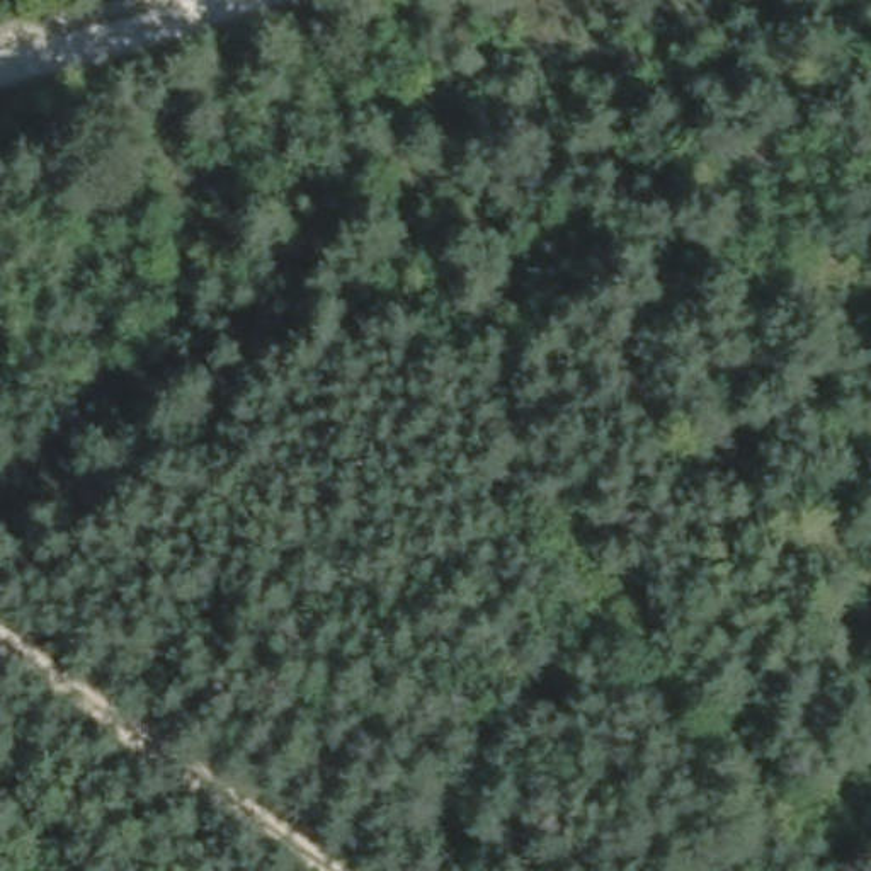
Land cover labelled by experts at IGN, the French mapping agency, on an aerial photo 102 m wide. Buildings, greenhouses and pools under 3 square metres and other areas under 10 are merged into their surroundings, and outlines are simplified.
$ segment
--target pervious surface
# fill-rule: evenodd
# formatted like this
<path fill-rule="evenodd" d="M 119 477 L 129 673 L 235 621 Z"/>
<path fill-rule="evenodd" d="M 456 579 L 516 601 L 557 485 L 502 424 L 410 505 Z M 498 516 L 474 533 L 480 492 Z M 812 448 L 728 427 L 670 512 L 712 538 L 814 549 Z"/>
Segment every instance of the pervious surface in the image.
<path fill-rule="evenodd" d="M 24 640 L 0 619 L 0 640 L 41 670 L 54 694 L 75 694 L 82 701 L 82 711 L 92 714 L 105 732 L 112 732 L 122 749 L 143 749 L 146 732 L 129 732 L 126 718 L 109 704 L 102 691 L 95 691 L 88 680 L 61 674 L 41 646 Z"/>
<path fill-rule="evenodd" d="M 157 68 L 167 68 L 174 54 L 180 54 L 187 44 L 201 44 L 201 34 L 218 27 L 221 20 L 248 14 L 255 0 L 95 0 L 95 10 L 65 24 L 58 17 L 44 17 L 41 24 L 10 17 L 0 24 L 0 85 L 58 68 L 88 109 L 99 92 L 119 88 L 119 71 L 133 58 L 153 58 Z"/>
<path fill-rule="evenodd" d="M 255 823 L 262 823 L 262 830 L 272 840 L 289 844 L 310 871 L 350 871 L 344 861 L 323 854 L 306 834 L 279 820 L 272 810 L 265 810 L 259 800 L 245 800 L 245 813 Z"/>

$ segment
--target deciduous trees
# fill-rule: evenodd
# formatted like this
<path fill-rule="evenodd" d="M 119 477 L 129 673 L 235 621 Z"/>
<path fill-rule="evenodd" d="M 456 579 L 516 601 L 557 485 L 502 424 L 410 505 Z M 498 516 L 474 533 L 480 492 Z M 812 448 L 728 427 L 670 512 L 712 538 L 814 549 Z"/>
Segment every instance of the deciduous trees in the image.
<path fill-rule="evenodd" d="M 589 616 L 599 609 L 599 599 L 623 585 L 623 575 L 585 555 L 585 548 L 568 531 L 565 510 L 558 510 L 551 527 L 541 538 L 534 538 L 538 558 L 527 565 L 527 578 L 510 595 L 510 602 L 497 616 L 487 616 L 476 626 L 470 626 L 453 663 L 422 670 L 418 687 L 432 697 L 425 701 L 425 711 L 415 718 L 422 732 L 432 732 L 432 725 L 442 718 L 483 721 L 497 708 L 510 708 L 521 697 L 524 684 L 541 674 L 541 667 L 555 653 L 555 619 L 561 602 L 575 602 L 572 612 L 585 626 Z"/>
<path fill-rule="evenodd" d="M 299 65 L 289 75 L 289 95 L 272 102 L 269 122 L 225 112 L 221 136 L 204 139 L 191 133 L 184 146 L 163 143 L 167 157 L 187 177 L 197 167 L 221 163 L 238 170 L 252 184 L 248 214 L 269 201 L 286 204 L 286 187 L 296 184 L 299 174 L 340 170 L 344 146 L 357 146 L 354 129 L 367 129 L 381 116 L 374 95 L 415 102 L 432 92 L 436 82 L 429 54 L 408 44 L 408 34 L 395 20 L 395 14 L 371 17 L 367 24 L 350 20 L 347 10 L 357 0 L 310 0 L 316 7 L 313 31 L 303 34 Z"/>
<path fill-rule="evenodd" d="M 663 871 L 813 871 L 817 854 L 827 851 L 827 810 L 840 800 L 840 783 L 854 772 L 847 759 L 834 759 L 834 766 L 820 769 L 817 776 L 789 783 L 789 793 L 779 806 L 762 806 L 755 789 L 735 786 L 725 796 L 718 817 L 732 817 L 735 827 L 684 834 L 670 844 Z"/>
<path fill-rule="evenodd" d="M 177 316 L 174 276 L 180 208 L 174 201 L 157 201 L 157 187 L 143 187 L 119 208 L 95 208 L 88 221 L 82 214 L 65 214 L 44 221 L 41 204 L 0 218 L 0 470 L 10 459 L 31 459 L 37 453 L 41 432 L 58 429 L 54 408 L 75 401 L 78 388 L 92 381 L 99 367 L 129 367 L 133 340 L 146 337 L 170 316 Z"/>
<path fill-rule="evenodd" d="M 711 126 L 684 129 L 677 119 L 677 105 L 663 92 L 650 102 L 650 109 L 636 119 L 629 133 L 609 136 L 606 146 L 619 150 L 633 163 L 670 163 L 684 157 L 694 167 L 697 184 L 691 187 L 691 201 L 680 211 L 670 211 L 663 201 L 643 204 L 616 197 L 612 163 L 602 163 L 599 184 L 585 191 L 572 191 L 575 177 L 585 174 L 585 163 L 565 167 L 558 184 L 544 180 L 541 170 L 548 167 L 551 143 L 548 133 L 531 126 L 527 119 L 514 119 L 514 136 L 504 150 L 470 139 L 466 163 L 439 163 L 432 177 L 439 197 L 459 204 L 463 214 L 480 204 L 480 194 L 493 194 L 497 204 L 510 211 L 510 228 L 504 231 L 510 255 L 524 255 L 531 242 L 541 231 L 565 221 L 572 208 L 592 208 L 592 221 L 599 228 L 626 235 L 626 245 L 643 245 L 653 255 L 667 245 L 674 231 L 684 231 L 691 242 L 701 242 L 714 259 L 721 259 L 721 272 L 728 272 L 745 293 L 749 279 L 762 272 L 813 272 L 823 269 L 827 255 L 834 262 L 861 265 L 868 259 L 871 238 L 871 44 L 861 41 L 854 31 L 834 27 L 827 0 L 817 0 L 813 14 L 803 17 L 803 61 L 772 58 L 766 41 L 752 41 L 742 65 L 759 65 L 766 71 L 762 85 L 752 82 L 738 99 L 728 95 L 718 78 L 694 82 L 694 92 L 704 99 L 704 109 L 711 112 Z"/>
<path fill-rule="evenodd" d="M 697 738 L 725 732 L 738 714 L 732 701 L 704 701 L 684 714 L 687 732 Z"/>
<path fill-rule="evenodd" d="M 674 677 L 684 663 L 684 653 L 674 650 L 674 633 L 657 629 L 650 640 L 619 643 L 616 657 L 602 663 L 602 674 L 616 684 L 653 684 L 660 677 Z"/>

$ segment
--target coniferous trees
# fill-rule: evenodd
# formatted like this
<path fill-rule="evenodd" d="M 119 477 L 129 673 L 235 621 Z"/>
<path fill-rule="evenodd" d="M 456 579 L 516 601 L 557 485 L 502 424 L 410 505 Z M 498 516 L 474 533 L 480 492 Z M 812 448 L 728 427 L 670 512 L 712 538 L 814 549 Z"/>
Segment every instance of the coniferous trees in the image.
<path fill-rule="evenodd" d="M 0 24 L 10 17 L 41 24 L 44 17 L 58 17 L 65 24 L 95 10 L 95 0 L 0 0 Z"/>
<path fill-rule="evenodd" d="M 827 0 L 834 27 L 854 31 L 861 41 L 871 44 L 871 0 Z"/>
<path fill-rule="evenodd" d="M 694 167 L 684 157 L 670 163 L 633 163 L 619 150 L 606 146 L 609 136 L 629 133 L 636 119 L 650 109 L 650 102 L 663 92 L 677 105 L 677 119 L 684 129 L 711 126 L 711 112 L 704 109 L 704 99 L 694 92 L 694 82 L 718 78 L 728 95 L 738 99 L 752 82 L 762 85 L 766 71 L 759 65 L 742 65 L 752 41 L 766 41 L 772 58 L 803 61 L 803 17 L 813 14 L 817 0 L 357 0 L 347 10 L 350 20 L 367 24 L 371 17 L 395 14 L 395 20 L 408 34 L 408 44 L 429 54 L 436 82 L 432 92 L 415 102 L 374 95 L 381 116 L 367 129 L 354 129 L 357 146 L 344 146 L 340 170 L 299 174 L 296 184 L 286 187 L 286 204 L 269 201 L 248 214 L 252 184 L 238 170 L 221 163 L 197 167 L 187 177 L 167 157 L 163 143 L 184 146 L 191 133 L 204 139 L 221 136 L 225 112 L 269 122 L 272 102 L 289 95 L 289 75 L 299 65 L 303 34 L 313 31 L 316 7 L 310 0 L 255 0 L 248 14 L 221 20 L 218 27 L 201 34 L 201 44 L 187 44 L 180 54 L 174 54 L 167 68 L 157 68 L 153 58 L 133 58 L 119 71 L 119 88 L 99 92 L 88 109 L 58 68 L 0 85 L 0 218 L 41 204 L 44 221 L 65 214 L 82 214 L 88 221 L 95 208 L 119 208 L 143 187 L 157 187 L 157 201 L 174 201 L 180 208 L 174 276 L 177 316 L 170 316 L 146 337 L 133 340 L 129 367 L 99 367 L 92 381 L 78 388 L 75 401 L 54 408 L 58 429 L 41 432 L 37 453 L 31 459 L 10 459 L 0 470 L 0 619 L 24 640 L 41 646 L 61 674 L 88 680 L 95 691 L 102 691 L 109 704 L 126 718 L 129 732 L 146 732 L 143 749 L 122 749 L 112 732 L 105 732 L 92 714 L 82 711 L 82 701 L 75 694 L 54 694 L 41 670 L 0 640 L 0 871 L 310 871 L 289 844 L 272 840 L 262 830 L 262 823 L 255 823 L 245 813 L 245 800 L 259 800 L 265 810 L 272 810 L 279 820 L 306 834 L 323 854 L 344 861 L 350 871 L 663 871 L 670 844 L 684 834 L 735 827 L 732 817 L 718 817 L 725 796 L 735 786 L 755 789 L 762 806 L 779 806 L 789 793 L 789 783 L 817 776 L 820 769 L 834 766 L 834 759 L 847 759 L 854 772 L 840 783 L 840 800 L 827 810 L 827 851 L 817 854 L 813 871 L 871 871 L 871 238 L 868 259 L 861 265 L 834 262 L 827 255 L 823 269 L 813 272 L 762 272 L 749 279 L 745 293 L 728 272 L 721 272 L 721 259 L 714 259 L 701 242 L 691 242 L 684 231 L 674 231 L 667 245 L 653 255 L 643 245 L 626 245 L 626 235 L 599 228 L 592 221 L 592 208 L 572 208 L 565 221 L 541 231 L 531 242 L 524 255 L 510 255 L 504 231 L 510 228 L 510 211 L 497 204 L 493 194 L 480 194 L 480 204 L 463 214 L 459 204 L 439 197 L 432 177 L 439 163 L 466 163 L 470 139 L 504 150 L 514 136 L 514 119 L 527 119 L 531 126 L 548 133 L 551 143 L 548 167 L 541 170 L 544 180 L 558 184 L 565 167 L 585 163 L 585 174 L 575 177 L 572 191 L 585 191 L 599 184 L 602 163 L 612 163 L 616 197 L 643 204 L 663 201 L 670 211 L 680 211 L 691 201 L 691 187 L 697 184 Z M 558 510 L 565 510 L 568 531 L 585 548 L 585 555 L 623 575 L 623 585 L 599 599 L 599 609 L 589 616 L 585 626 L 572 612 L 575 602 L 561 602 L 555 619 L 555 653 L 541 667 L 541 674 L 524 684 L 521 697 L 510 708 L 497 708 L 483 721 L 442 718 L 432 725 L 432 732 L 422 732 L 415 718 L 425 711 L 425 701 L 432 697 L 418 687 L 422 670 L 453 663 L 470 626 L 476 626 L 487 616 L 497 616 L 510 602 L 510 595 L 527 578 L 527 565 L 538 558 L 534 538 L 541 538 L 551 527 Z M 674 677 L 660 677 L 653 684 L 616 684 L 602 674 L 602 663 L 616 657 L 619 643 L 650 640 L 657 629 L 674 633 L 674 650 L 684 653 L 684 663 Z M 704 701 L 732 701 L 738 714 L 725 732 L 697 738 L 687 732 L 684 714 Z"/>

